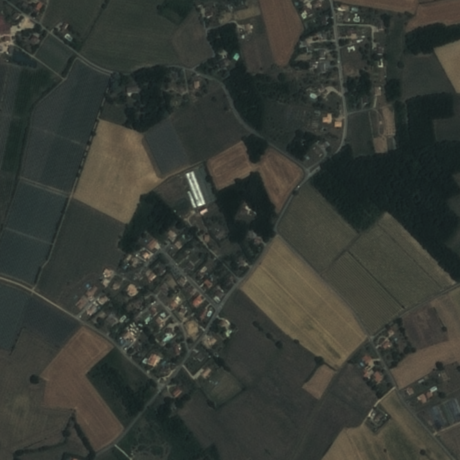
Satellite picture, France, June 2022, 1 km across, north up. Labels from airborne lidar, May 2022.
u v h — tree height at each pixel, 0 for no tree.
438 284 0
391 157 20
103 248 0
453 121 0
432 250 17
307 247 0
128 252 10
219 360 12
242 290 0
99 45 0
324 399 0
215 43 13
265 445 0
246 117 13
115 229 0
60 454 0
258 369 0
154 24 0
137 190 0
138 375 0
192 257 0
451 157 23
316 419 0
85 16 0
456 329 0
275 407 0
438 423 0
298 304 0
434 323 0
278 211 0
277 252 0
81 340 0
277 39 0
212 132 0
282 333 0
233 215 10
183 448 8
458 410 0
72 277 0
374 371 7
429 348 0
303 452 0
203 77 0
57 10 0
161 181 0
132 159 0
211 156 0
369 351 12
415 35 11
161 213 15
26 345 0
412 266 0
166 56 0
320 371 0
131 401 11
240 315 0
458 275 19
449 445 0
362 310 0
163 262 10
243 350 0
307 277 0
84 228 0
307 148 13
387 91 12
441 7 0
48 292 0
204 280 11
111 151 0
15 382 0
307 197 0
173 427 8
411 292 0
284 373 0
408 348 9
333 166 15
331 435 0
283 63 0
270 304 0
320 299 0
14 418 0
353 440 0
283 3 0
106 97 10
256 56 0
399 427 0
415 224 19
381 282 0
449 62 0
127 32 0
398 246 0
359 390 0
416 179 21
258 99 9
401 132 9
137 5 0
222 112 0
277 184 0
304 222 0
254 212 20
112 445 0
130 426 0
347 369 0
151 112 20
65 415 0
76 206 0
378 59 11
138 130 17
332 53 12
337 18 0
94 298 0
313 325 0
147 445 0
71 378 0
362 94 17
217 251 0
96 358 0
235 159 0
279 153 0
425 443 0
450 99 14
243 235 16
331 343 0
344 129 0
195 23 0
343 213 9
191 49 0
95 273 0
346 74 0
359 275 0
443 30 9
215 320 6
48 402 0
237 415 0
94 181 0
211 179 12
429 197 20
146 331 14
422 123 13
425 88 0
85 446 12
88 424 0
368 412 0
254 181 11
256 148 15
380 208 12
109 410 0
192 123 0
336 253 0
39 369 0
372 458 0
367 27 0
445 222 11
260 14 0
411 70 0
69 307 0
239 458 0
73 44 7
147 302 9
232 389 0
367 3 0
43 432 0
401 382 0
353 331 0
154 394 0
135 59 0
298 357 0
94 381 0
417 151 18
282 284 0
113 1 0
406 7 0
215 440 0
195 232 17
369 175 22
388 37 0
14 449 0
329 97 0
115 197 0
